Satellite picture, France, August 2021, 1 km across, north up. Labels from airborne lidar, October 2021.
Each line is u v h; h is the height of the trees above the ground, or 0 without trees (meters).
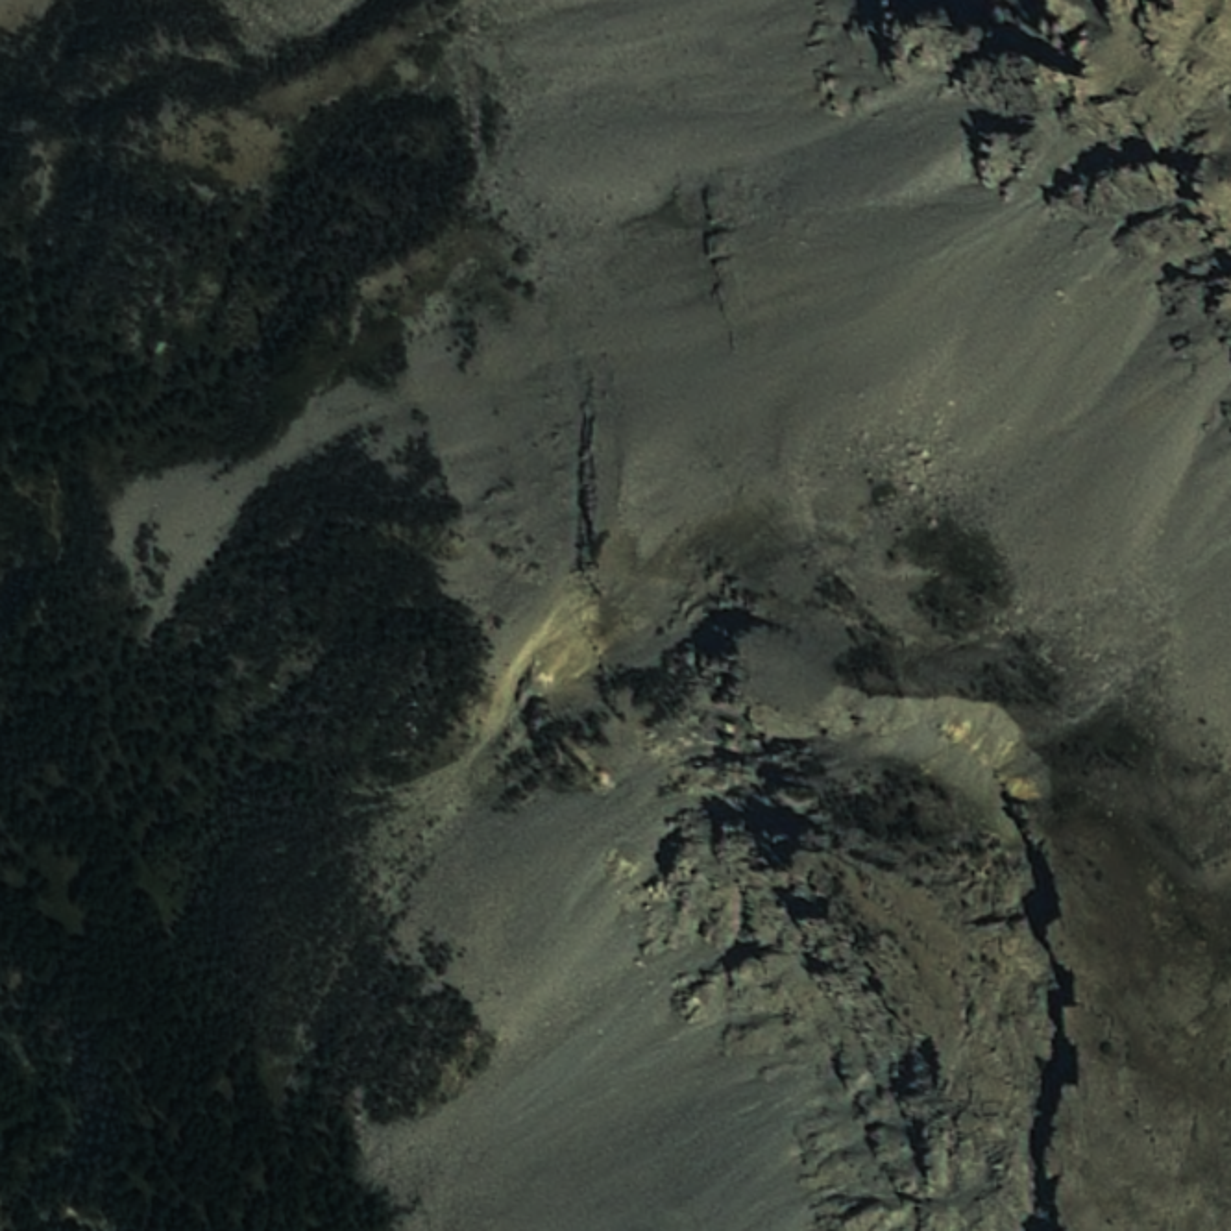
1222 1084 0
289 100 0
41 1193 17
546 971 0
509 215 0
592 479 0
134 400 19
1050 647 0
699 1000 0
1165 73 0
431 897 0
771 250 0
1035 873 0
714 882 0
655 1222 0
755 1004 0
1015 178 0
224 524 0
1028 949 0
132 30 7
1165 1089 0
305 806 9
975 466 0
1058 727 0
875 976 0
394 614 6
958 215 0
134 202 6
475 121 0
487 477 0
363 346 0
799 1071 0
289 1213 16
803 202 0
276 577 13
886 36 0
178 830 16
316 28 0
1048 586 0
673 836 0
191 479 0
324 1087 15
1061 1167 0
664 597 0
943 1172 0
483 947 0
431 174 6
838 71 0
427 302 0
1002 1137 0
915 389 0
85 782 16
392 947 8
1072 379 0
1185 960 0
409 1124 0
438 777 0
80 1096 10
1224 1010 0
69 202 7
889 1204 0
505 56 0
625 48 0
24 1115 16
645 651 0
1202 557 0
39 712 14
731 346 0
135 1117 14
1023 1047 0
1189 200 0
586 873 0
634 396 0
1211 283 0
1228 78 0
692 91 0
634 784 0
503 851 0
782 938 0
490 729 0
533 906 0
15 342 20
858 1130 0
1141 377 0
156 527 0
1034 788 0
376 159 9
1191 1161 0
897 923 0
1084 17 0
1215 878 0
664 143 0
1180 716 0
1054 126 0
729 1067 0
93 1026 15
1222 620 0
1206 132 0
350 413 0
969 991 0
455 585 0
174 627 12
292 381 0
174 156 0
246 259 13
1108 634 0
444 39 0
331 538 8
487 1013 0
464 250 0
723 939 0
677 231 0
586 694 0
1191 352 0
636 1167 0
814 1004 0
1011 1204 0
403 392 0
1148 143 0
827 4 0
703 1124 0
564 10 0
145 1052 21
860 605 0
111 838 17
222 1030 10
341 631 6
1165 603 0
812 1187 0
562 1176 0
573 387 0
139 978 19
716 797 0
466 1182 0
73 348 12
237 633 12
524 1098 0
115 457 0
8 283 10
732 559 0
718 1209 0
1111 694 0
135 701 13
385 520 6
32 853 12
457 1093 0
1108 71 0
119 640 17
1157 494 0
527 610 0
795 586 0
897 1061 0
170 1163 16
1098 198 0
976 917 0
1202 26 0
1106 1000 0
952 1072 0
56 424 19
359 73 0
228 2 0
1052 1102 0
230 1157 17
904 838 6
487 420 0
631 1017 0
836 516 0
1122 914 0
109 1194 10
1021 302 0
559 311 0
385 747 7
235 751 21
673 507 0
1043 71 0
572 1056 0
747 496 0
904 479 0
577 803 0
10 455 6
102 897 21
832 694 0
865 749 0
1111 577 0
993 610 0
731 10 0
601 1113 0
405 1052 7
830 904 0
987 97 0
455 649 11
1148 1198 0
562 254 0
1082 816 0
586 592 0
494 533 0
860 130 0
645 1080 0
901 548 0
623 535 0
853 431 0
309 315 13
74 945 15
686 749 0
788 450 0
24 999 16
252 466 0
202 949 11
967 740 0
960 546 0
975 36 0
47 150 0
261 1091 23
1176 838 0
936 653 0
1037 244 0
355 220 10
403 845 0
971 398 0
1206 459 0
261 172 0
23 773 12
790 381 0
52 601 8
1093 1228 0
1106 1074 0
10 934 24
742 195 0
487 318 0
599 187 0
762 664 0
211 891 9
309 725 9
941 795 7
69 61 6
